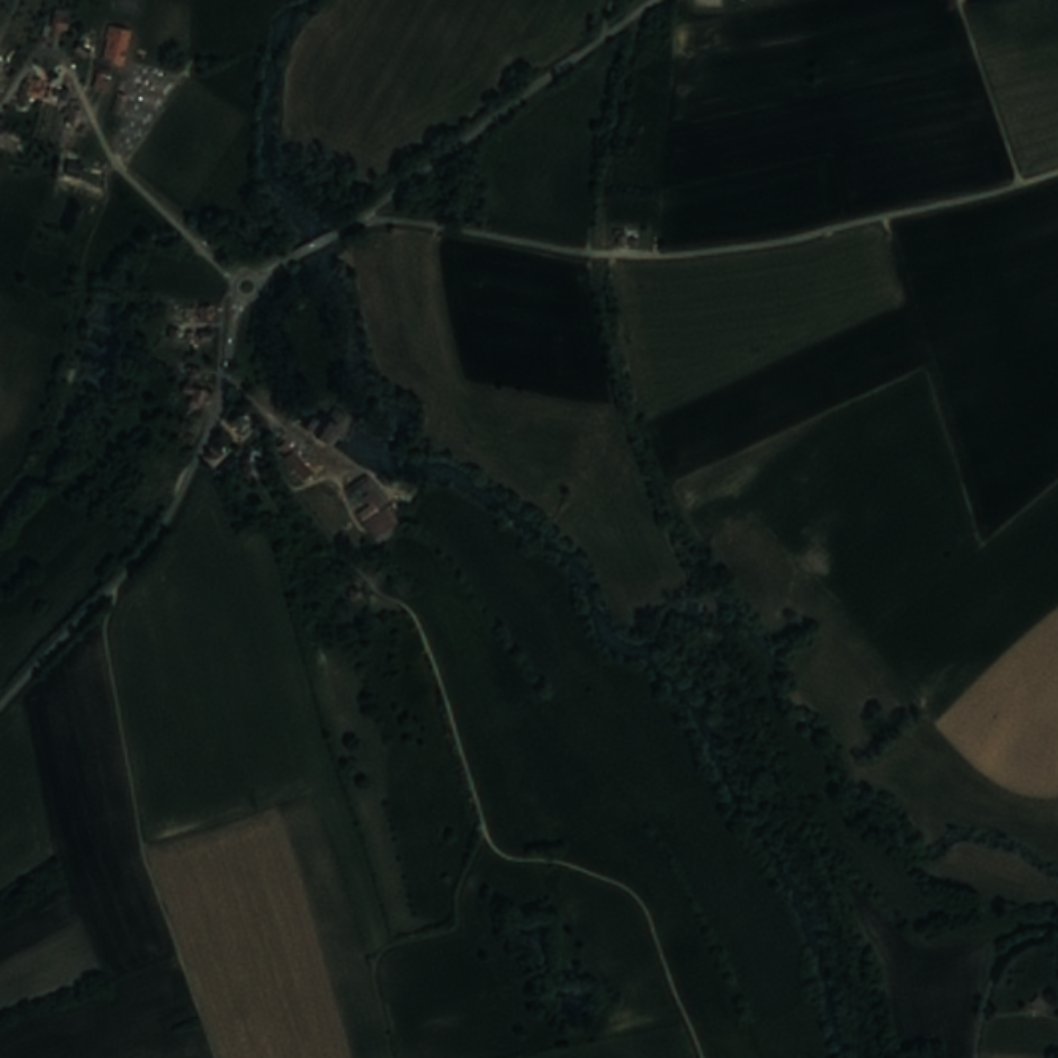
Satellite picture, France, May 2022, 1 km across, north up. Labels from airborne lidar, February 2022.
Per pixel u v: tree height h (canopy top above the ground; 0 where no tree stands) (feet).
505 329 0
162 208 0
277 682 0
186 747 0
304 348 0
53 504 0
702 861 0
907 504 0
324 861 0
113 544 0
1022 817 0
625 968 0
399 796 0
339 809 0
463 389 0
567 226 0
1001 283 0
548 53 0
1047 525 0
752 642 0
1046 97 0
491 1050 0
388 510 0
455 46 0
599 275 0
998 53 0
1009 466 0
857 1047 20
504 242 0
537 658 0
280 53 25
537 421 0
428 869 0
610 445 0
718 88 0
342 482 0
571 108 0
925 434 0
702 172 0
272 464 55
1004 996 0
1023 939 19
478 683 0
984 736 0
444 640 0
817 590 0
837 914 22
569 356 0
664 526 35
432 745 0
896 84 0
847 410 0
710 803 0
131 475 28
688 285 0
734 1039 0
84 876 0
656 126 0
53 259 0
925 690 0
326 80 0
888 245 0
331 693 0
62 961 0
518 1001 0
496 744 0
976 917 61
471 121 28
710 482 0
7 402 0
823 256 0
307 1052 0
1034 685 0
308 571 20
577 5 0
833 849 33
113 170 0
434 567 0
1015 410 0
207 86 0
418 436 34
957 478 0
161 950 0
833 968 28
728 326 0
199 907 0
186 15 0
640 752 0
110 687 0
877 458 0
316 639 19
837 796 62
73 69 0
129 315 75
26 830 0
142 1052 0
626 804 0
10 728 0
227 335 0
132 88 0
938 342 0
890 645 0
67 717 0
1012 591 0
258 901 0
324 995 0
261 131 38
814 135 0
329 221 94
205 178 0
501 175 0
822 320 0
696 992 0
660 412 0
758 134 0
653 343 0
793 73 0
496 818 0
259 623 0
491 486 31
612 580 0
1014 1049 0
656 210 0
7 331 0
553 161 0
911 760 0
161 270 0
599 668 0
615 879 0
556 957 58
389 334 0
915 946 0
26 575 42
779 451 0
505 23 0
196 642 0
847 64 0
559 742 0
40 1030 0
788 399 0
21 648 0
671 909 0
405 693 0
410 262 0
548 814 0
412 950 0
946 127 0
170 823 0
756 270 0
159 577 0
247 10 0
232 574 0
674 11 46
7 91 0
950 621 0
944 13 0
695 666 40
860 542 0
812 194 0
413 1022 0
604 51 0
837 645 0
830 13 0
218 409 0
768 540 0
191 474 0
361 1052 0
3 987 0
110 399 68
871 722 33
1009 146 0
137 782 0
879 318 0
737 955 0
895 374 0
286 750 0
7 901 34
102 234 0
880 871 0
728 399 0
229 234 84
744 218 0
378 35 0
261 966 0
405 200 54
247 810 0
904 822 27
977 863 0
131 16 0
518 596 0
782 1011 0
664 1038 0
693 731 40
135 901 0
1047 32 0
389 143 0
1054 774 0
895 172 0
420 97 0
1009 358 0
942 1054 29
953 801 0
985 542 0
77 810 0
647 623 69
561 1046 29
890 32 0
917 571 0
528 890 0
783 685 62
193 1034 0
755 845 27
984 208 0
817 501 0
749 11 0
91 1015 0
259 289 0
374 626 44
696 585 32
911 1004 0
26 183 0
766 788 62
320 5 24
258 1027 0
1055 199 0
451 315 0
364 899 0
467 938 0
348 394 109
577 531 0
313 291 99
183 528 0
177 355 0
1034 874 0
